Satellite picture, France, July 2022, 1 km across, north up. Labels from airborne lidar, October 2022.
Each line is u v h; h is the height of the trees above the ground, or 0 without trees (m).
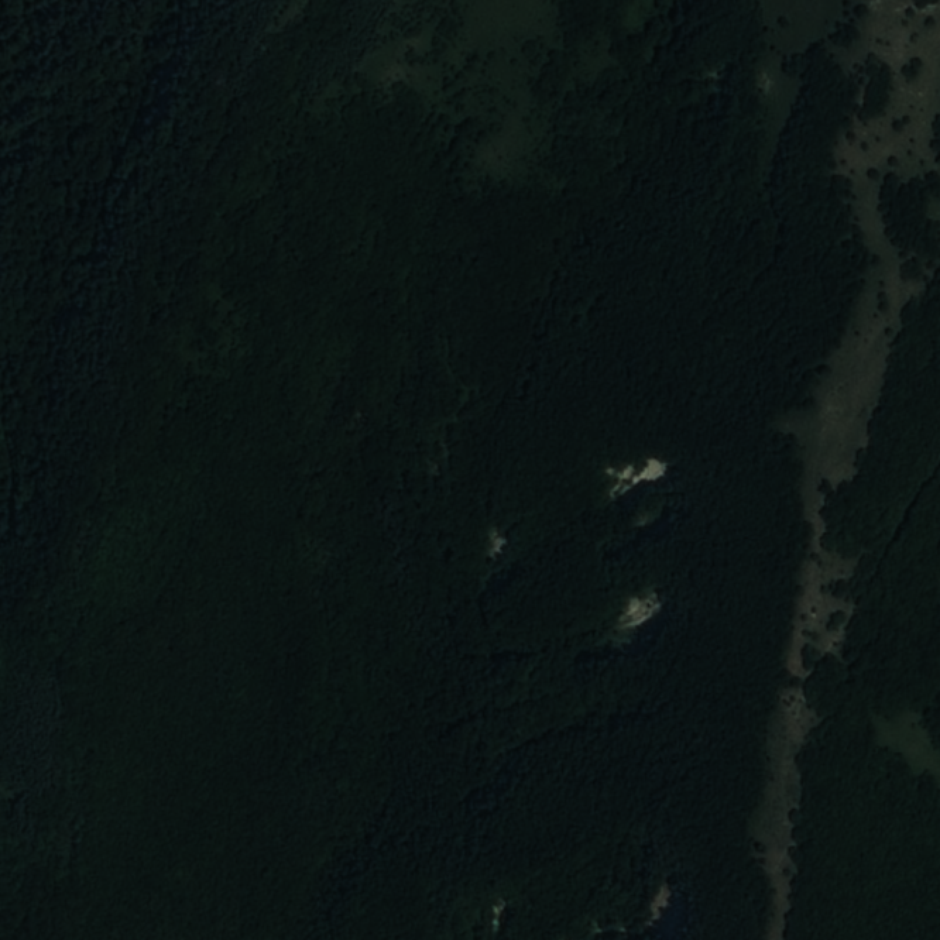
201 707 15
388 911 29
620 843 20
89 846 19
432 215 17
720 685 20
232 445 16
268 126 22
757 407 16
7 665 17
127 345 14
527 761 26
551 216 10
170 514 18
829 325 14
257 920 18
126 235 22
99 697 18
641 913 19
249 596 18
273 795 17
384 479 21
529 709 22
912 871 24
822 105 19
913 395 16
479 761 23
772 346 22
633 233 20
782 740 0
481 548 19
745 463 18
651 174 23
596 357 25
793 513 13
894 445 18
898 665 20
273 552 20
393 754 31
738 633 18
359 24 14
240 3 18
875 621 18
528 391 25
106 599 23
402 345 24
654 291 18
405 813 25
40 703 19
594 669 15
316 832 17
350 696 23
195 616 20
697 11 22
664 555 19
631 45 22
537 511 16
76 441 17
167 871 20
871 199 0
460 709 15
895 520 20
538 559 25
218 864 16
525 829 25
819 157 17
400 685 28
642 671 13
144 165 20
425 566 18
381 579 20
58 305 9
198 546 21
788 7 0
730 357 17
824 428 0
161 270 8
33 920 16
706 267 20
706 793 18
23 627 15
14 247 23
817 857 18
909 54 0
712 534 19
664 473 0
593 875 22
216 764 19
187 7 13
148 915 18
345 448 25
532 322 24
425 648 15
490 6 0
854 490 12
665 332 22
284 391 19
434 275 18
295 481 20
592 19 16
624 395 22
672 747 20
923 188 11
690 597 16
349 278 16
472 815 22
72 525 19
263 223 12
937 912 20
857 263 12
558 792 23
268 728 19
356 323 27
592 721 15
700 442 18
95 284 20
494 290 22
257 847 18
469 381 14
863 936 23
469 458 28
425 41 0
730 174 14
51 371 19
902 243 10
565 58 11
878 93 13
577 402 25
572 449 21
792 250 21
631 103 15
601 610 16
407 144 14
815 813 18
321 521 23
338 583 24
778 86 0
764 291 21
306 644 23
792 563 14
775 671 12
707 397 14
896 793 20
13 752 18
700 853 19
